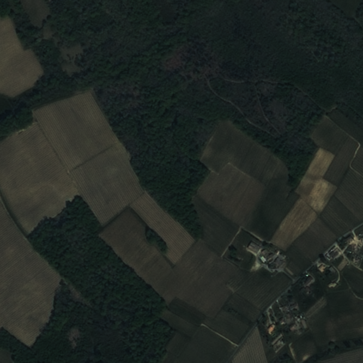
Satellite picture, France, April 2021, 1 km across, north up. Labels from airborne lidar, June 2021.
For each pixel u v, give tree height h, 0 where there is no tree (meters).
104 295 15
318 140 0
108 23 9
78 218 19
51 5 15
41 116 0
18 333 0
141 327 8
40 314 0
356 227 0
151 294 19
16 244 0
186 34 20
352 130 0
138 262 0
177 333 0
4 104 0
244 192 0
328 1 9
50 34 0
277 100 10
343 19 19
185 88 18
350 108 14
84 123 0
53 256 22
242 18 11
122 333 6
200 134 24
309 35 21
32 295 0
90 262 19
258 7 6
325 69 10
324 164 0
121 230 0
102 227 0
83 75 13
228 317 0
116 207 0
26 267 0
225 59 8
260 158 0
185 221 15
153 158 24
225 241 0
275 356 0
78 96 0
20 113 25
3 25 0
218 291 0
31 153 0
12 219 0
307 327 0
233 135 0
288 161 18
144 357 16
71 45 9
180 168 28
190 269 0
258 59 7
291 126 15
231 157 0
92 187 0
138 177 6
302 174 20
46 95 20
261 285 0
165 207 16
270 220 0
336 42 17
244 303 0
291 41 12
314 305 0
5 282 0
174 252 0
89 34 16
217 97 7
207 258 0
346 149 0
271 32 12
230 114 12
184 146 28
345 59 17
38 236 17
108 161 0
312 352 0
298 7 15
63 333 10
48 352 10
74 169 0
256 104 9
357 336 0
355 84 13
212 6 16
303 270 0
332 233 0
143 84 11
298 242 0
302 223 0
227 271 0
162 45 25
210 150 0
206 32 10
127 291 21
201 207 0
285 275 0
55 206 0
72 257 16
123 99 17
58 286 0
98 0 17
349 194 0
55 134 0
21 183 0
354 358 0
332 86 12
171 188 15
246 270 0
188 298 0
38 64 0
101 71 23
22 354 16
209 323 0
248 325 0
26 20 7
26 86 0
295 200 0
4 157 0
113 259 15
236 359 0
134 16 19
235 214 0
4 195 0
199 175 25
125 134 13
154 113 26
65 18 19
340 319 0
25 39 21
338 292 0
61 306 17
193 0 22
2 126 22
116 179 0
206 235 0
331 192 0
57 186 0
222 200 0
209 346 0
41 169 0
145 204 0
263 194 0
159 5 7
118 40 17
